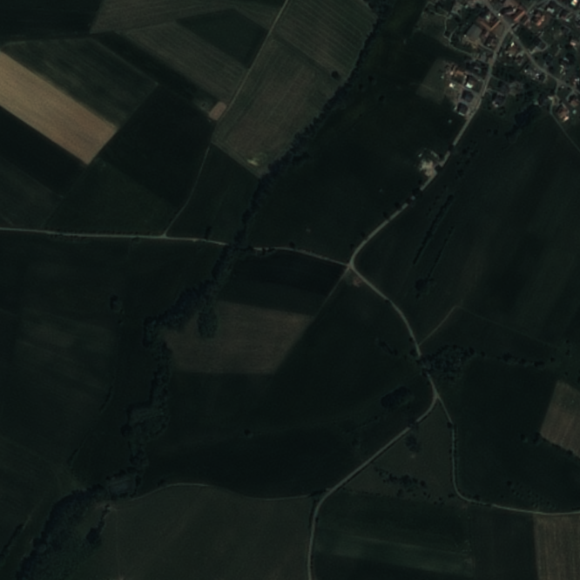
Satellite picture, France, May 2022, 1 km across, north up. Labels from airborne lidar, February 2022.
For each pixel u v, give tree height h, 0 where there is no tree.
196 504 0
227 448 0
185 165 0
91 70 0
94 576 0
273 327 0
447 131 0
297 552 0
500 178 0
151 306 0
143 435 17
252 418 0
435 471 0
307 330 0
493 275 0
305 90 0
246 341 0
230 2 0
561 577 0
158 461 0
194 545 0
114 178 0
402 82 0
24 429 0
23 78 0
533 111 20
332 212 0
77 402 0
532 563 0
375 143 0
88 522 0
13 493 0
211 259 0
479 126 0
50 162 0
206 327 19
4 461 0
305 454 0
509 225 0
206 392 0
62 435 0
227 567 0
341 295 0
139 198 0
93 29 0
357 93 0
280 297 0
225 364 0
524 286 0
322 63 0
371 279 0
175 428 0
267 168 0
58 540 29
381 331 0
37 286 0
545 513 0
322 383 0
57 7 0
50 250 0
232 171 0
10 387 0
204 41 0
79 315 0
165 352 29
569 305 0
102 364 0
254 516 0
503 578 0
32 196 0
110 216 0
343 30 0
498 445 0
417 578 0
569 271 0
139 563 0
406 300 0
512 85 0
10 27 0
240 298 0
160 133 0
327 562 0
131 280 0
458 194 0
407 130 0
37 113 0
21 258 0
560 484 0
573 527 0
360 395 0
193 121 0
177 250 0
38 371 0
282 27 0
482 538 0
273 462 0
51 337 0
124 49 0
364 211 0
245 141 0
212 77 0
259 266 0
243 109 0
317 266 0
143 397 0
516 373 0
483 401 0
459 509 0
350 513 0
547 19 0
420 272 0
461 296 0
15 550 0
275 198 0
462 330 0
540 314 0
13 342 0
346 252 0
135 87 0
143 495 0
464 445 0
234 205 0
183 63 0
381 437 0
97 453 0
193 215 0
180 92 0
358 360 0
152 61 0
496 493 0
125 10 0
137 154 0
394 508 0
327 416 0
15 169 0
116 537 0
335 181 0
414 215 0
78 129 0
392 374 0
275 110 0
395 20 0
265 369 0
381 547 0
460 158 0
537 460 0
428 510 0
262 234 0
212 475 0
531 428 0
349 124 0
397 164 0
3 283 0
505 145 0
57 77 0
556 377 0
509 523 0
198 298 28
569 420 0
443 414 0
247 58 0
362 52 10
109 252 0
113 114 0
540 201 0
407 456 0
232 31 0
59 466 0
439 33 0
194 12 0
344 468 0
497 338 0
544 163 0
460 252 0
